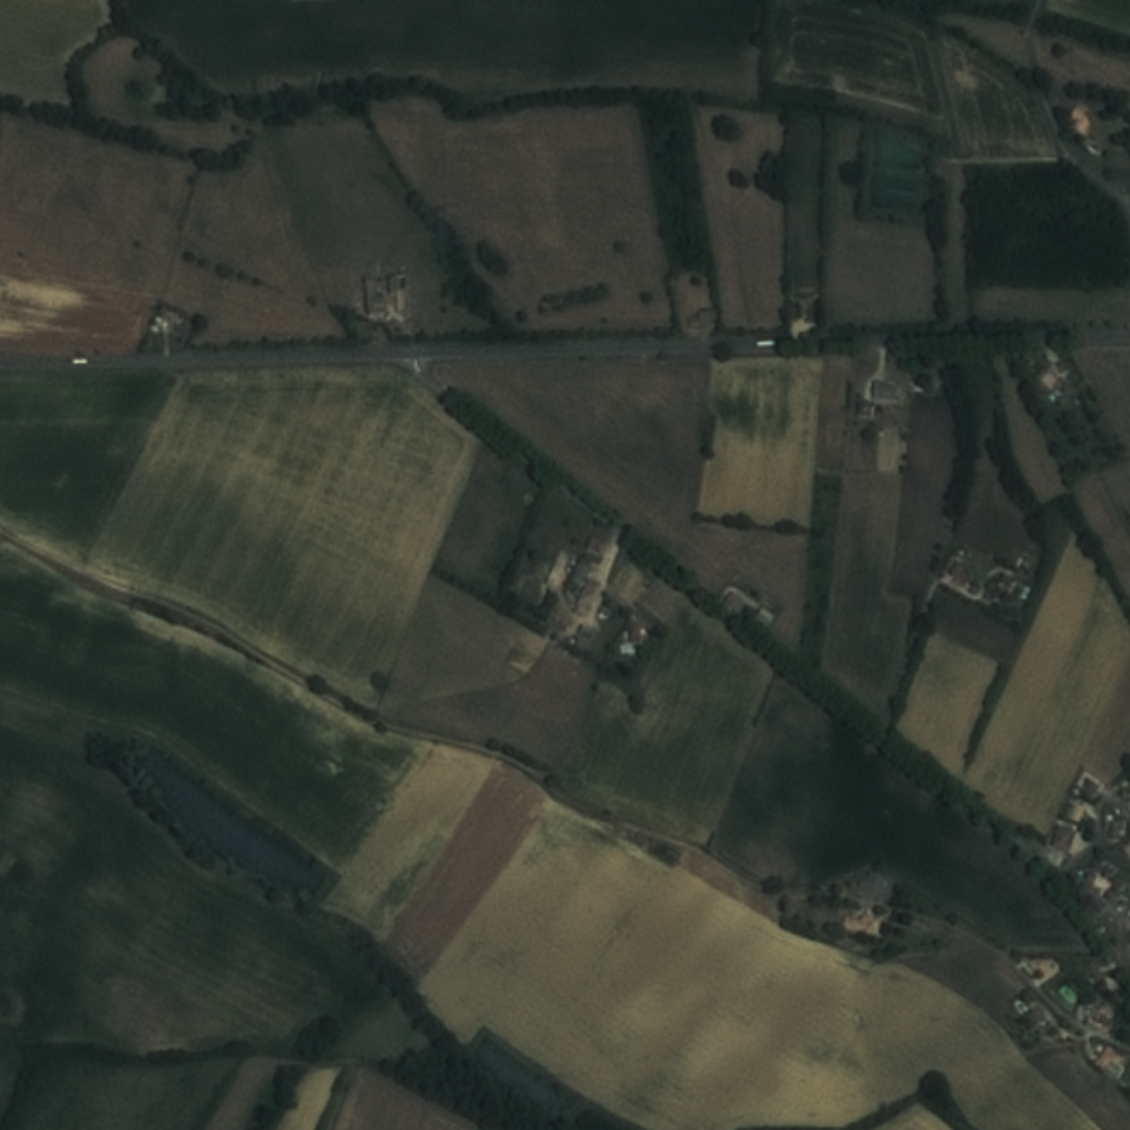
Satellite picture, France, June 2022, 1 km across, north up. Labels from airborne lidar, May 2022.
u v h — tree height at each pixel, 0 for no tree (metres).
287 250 0
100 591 0
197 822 0
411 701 0
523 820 0
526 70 0
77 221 0
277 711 0
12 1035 0
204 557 0
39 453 0
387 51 0
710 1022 0
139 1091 0
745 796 0
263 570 0
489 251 7
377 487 0
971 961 0
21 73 0
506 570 8
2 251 0
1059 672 0
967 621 0
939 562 10
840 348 22
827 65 0
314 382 0
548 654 0
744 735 0
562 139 0
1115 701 0
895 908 7
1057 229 7
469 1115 21
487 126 0
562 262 0
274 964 0
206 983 0
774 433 0
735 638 18
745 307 0
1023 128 0
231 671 0
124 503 0
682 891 0
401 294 0
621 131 0
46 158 0
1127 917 0
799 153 0
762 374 0
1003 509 0
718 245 0
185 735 0
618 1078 0
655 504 0
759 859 0
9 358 0
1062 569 0
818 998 0
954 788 23
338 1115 0
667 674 0
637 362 0
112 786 0
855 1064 0
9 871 0
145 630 0
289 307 0
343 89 23
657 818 0
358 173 0
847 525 0
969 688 0
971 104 0
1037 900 0
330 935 0
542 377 0
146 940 0
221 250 0
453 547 0
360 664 0
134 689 0
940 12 21
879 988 0
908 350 25
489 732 0
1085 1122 0
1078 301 0
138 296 0
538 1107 10
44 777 0
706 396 0
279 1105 16
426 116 0
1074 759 0
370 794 0
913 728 0
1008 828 21
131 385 0
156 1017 0
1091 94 21
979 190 8
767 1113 0
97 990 0
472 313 6
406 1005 21
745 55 0
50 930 0
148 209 0
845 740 0
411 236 0
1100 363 0
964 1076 0
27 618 0
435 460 0
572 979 0
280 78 0
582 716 0
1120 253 6
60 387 0
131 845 0
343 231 0
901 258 0
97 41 7
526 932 0
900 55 0
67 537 0
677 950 0
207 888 0
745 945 0
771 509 0
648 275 0
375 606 0
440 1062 9
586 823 0
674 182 15
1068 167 12
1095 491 0
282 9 0
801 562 0
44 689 0
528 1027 0
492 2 0
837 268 0
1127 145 16
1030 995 9
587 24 0
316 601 0
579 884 0
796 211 0
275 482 0
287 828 0
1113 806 0
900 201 0
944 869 0
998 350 25
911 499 0
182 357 0
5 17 0
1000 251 7
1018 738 0
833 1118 0
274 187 0
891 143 0
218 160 18
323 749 0
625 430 0
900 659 0
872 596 0
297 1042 5
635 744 0
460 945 0
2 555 0
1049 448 7
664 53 0
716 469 0
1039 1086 0
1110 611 0
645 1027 0
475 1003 0
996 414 7
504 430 22
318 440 0
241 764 0
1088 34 11
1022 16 13
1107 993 9
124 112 0
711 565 0
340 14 0
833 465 0
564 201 0
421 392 0
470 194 0
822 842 0
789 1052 0
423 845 0
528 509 6
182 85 15
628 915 0
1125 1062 0
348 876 0
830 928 11
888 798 0
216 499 0
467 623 0
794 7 0
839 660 0
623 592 0
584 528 0
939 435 0
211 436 0
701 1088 0
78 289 0
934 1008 0
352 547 0
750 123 0
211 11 0
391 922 0
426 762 0
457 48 0
